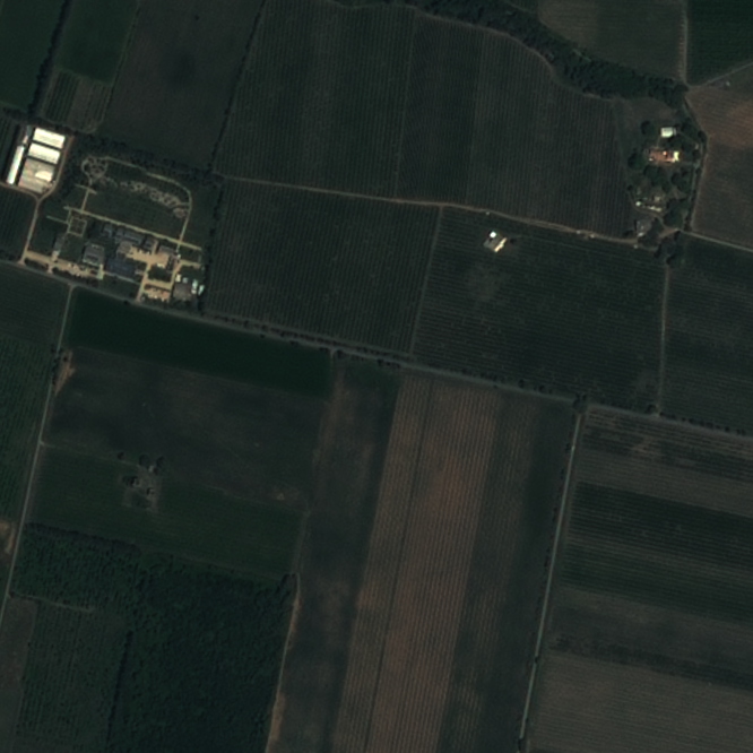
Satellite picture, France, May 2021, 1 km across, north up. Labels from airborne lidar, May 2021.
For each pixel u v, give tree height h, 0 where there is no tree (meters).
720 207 0
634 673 0
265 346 0
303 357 0
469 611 0
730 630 0
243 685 6
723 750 0
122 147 20
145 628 9
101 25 0
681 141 12
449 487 0
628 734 0
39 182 0
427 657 0
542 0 0
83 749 6
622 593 0
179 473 0
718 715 0
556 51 11
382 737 0
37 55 0
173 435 0
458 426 0
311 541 0
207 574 7
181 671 6
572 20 0
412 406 0
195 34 0
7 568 0
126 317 0
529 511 0
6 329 0
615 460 0
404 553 0
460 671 0
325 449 0
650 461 0
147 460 7
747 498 0
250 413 0
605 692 0
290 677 0
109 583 5
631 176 0
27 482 0
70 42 0
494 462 0
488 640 0
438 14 16
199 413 0
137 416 0
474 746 0
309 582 0
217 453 0
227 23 0
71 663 6
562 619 0
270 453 0
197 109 0
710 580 0
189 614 8
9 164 8
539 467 0
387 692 0
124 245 0
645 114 0
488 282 0
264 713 9
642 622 0
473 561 0
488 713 0
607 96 12
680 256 12
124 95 0
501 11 13
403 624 0
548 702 0
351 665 0
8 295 0
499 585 0
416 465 0
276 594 9
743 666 0
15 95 0
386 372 0
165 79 0
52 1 0
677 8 0
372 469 0
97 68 0
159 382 0
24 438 0
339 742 0
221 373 0
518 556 0
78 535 18
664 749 0
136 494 0
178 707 9
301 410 0
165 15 0
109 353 0
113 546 16
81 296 0
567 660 0
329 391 0
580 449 0
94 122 0
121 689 16
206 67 0
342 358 8
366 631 0
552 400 0
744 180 0
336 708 0
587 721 0
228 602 7
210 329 0
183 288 0
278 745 0
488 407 0
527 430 0
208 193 0
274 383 0
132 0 0
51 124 12
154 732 10
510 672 0
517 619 0
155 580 11
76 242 0
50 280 0
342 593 0
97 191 10
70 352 0
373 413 0
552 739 0
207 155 0
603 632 0
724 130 0
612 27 0
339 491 0
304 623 0
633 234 12
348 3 13
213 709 9
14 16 0
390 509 0
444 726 0
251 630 7
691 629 0
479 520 0
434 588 0
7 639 0
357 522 0
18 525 0
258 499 0
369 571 0
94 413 0
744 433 12
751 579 0
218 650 8
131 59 0
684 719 0
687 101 6
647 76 8
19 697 0
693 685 0
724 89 0
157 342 0
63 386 0
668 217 10
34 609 0
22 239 0
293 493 0
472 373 10
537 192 0
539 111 0
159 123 0
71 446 0
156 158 19
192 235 0
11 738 0
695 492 0
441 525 0
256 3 0
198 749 8
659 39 0
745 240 0
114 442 0
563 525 0
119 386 0
